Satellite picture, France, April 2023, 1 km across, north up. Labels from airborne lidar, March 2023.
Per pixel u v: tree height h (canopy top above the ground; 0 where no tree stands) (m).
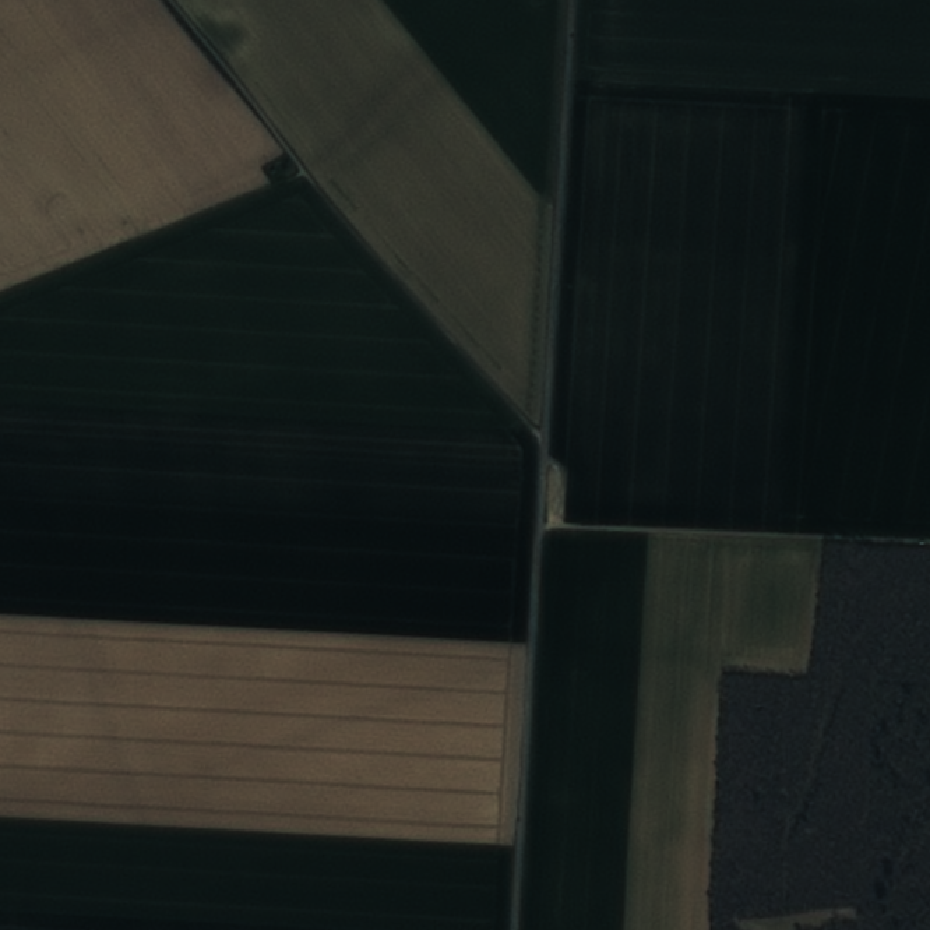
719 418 0
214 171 0
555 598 0
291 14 0
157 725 0
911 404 0
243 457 0
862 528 0
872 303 0
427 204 0
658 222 0
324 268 0
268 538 0
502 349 0
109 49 0
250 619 0
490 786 0
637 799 0
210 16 0
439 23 0
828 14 0
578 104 0
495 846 0
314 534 0
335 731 0
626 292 0
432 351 0
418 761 0
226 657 0
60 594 0
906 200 0
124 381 0
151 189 0
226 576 0
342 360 0
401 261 0
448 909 0
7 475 0
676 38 0
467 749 0
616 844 0
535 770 0
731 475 0
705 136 0
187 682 0
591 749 0
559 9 0
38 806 0
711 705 0
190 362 0
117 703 0
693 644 0
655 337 0
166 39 0
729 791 7
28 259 0
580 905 0
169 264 0
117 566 0
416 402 0
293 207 0
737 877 17
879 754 16
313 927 0
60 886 0
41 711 0
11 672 0
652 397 0
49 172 0
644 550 0
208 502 0
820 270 0
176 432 0
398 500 0
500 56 0
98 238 0
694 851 0
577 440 0
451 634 0
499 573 0
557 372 0
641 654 0
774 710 7
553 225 0
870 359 0
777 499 0
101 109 0
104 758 0
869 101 0
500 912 0
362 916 0
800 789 8
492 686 0
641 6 0
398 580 0
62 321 0
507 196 0
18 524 0
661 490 0
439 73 0
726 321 0
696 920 0
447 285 0
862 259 0
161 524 0
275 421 0
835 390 0
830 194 0
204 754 0
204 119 0
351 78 0
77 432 0
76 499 0
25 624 0
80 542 0
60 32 0
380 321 0
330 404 0
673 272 0
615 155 0
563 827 0
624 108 0
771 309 0
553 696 0
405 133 0
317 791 0
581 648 0
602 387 0
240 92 0
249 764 0
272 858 0
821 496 0
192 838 0
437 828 0
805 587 0
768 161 0
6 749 0
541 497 0
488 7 0
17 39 0
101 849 0
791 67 0
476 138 0
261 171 0
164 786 0
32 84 0
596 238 0
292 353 0
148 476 0
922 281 0
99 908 0
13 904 0
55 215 0
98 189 0
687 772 0
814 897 8
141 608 0
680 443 0
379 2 0
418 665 0
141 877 0
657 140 0
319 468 0
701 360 0
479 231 0
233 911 0
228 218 0
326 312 0
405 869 0
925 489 0
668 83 0
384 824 0
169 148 0
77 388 0
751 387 0
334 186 0
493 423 0
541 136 0
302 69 0
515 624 0
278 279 0
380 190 0
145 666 0
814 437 0
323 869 0
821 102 0
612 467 0
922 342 0
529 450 0
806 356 0
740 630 0
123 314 0
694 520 0
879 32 0
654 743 0
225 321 0
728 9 0
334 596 0
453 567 0
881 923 14
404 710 0
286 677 0
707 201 0
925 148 0
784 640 0
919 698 15
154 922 0
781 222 0
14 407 0
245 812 0
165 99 0
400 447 0
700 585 0
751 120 0
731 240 0
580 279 0
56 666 0
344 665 0
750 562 0
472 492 0
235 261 0
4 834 0
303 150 0
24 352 0
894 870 17
